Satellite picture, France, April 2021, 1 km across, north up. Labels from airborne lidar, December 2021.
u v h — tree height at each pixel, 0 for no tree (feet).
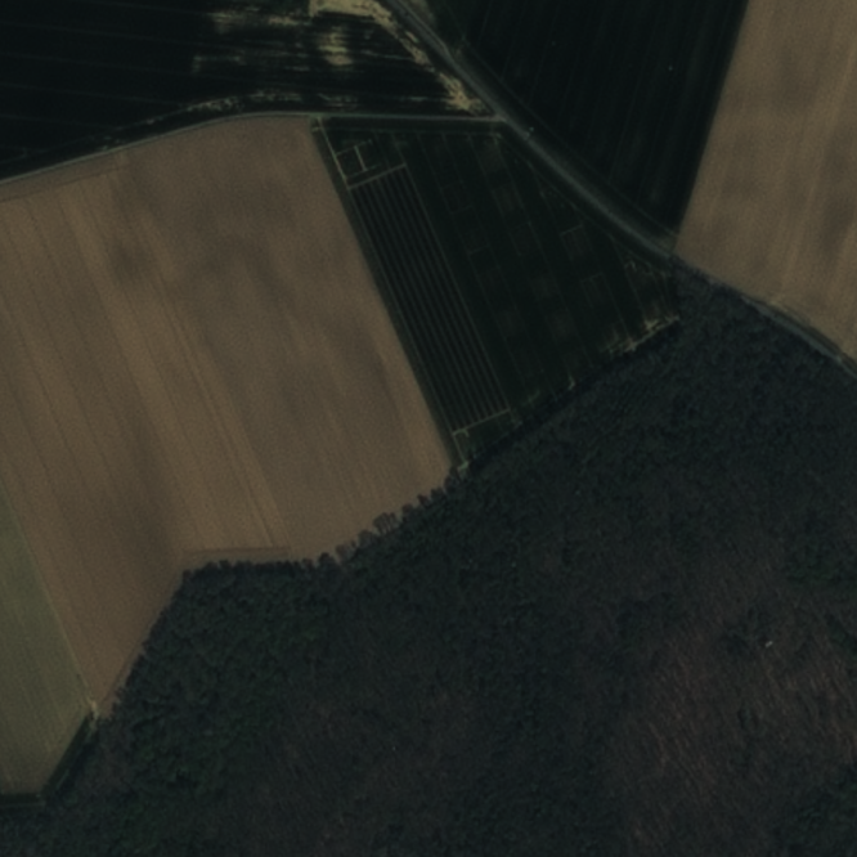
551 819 72
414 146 0
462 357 0
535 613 69
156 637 56
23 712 0
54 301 0
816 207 0
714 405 83
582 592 79
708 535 80
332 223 0
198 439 0
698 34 0
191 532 0
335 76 0
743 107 0
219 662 71
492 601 80
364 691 90
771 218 0
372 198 0
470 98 0
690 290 42
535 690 66
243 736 77
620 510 90
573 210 0
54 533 0
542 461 72
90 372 0
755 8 0
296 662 95
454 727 84
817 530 79
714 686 76
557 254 0
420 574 79
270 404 0
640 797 96
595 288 0
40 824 46
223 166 0
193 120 0
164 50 0
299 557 0
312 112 0
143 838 83
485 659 83
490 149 0
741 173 0
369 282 0
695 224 0
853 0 0
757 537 80
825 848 55
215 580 82
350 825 83
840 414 58
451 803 62
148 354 0
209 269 0
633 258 0
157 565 0
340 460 0
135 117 0
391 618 89
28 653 0
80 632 0
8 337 0
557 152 0
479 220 0
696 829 100
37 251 0
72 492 0
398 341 0
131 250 0
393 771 86
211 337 0
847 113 0
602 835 65
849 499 51
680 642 78
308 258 0
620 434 82
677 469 87
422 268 0
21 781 0
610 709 69
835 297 0
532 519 82
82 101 0
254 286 0
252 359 0
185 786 79
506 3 0
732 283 0
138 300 0
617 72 0
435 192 0
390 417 0
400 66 0
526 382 0
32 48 0
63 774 0
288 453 0
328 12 0
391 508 0
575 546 86
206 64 0
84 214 0
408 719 87
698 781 94
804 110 0
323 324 0
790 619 64
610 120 0
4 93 0
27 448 0
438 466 0
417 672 83
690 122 0
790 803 72
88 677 0
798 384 87
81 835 76
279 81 0
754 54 0
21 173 0
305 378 0
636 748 89
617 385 74
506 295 0
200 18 0
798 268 0
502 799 67
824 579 79
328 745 85
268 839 89
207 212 0
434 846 52
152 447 0
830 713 68
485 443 0
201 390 0
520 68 0
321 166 0
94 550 0
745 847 89
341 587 70
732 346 70
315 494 0
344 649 87
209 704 76
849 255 0
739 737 45
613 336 0
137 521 0
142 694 67
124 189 0
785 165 0
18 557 0
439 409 0
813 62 0
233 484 0
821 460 61
